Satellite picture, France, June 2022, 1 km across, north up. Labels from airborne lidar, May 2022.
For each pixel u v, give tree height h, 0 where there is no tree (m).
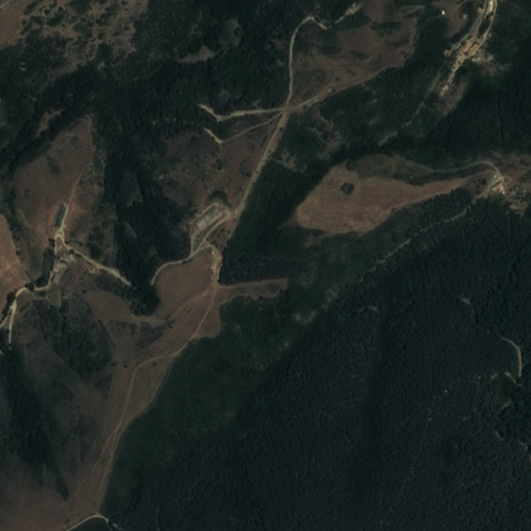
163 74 17
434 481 15
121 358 0
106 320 0
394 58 0
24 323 0
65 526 0
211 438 15
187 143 0
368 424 17
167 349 0
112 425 0
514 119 7
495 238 22
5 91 15
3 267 0
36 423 13
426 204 6
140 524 14
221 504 12
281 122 0
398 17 0
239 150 0
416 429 14
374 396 21
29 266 0
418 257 17
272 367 13
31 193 0
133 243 14
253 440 16
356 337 13
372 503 13
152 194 11
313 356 15
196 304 0
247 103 10
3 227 0
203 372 7
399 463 13
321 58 0
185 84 12
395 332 16
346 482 14
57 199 0
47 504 0
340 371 15
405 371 17
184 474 15
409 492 14
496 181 0
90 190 0
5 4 0
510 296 24
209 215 0
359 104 7
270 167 6
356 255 6
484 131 14
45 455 15
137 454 6
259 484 14
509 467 15
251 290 0
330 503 16
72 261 0
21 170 0
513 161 0
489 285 16
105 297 0
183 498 17
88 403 0
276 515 13
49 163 0
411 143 10
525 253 30
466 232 14
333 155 7
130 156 14
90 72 15
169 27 7
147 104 7
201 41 18
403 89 8
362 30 0
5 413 0
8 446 6
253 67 20
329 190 0
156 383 0
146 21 6
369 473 16
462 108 8
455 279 20
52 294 0
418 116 10
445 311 17
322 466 13
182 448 11
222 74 16
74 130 0
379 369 22
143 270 21
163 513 17
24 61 12
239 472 17
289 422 14
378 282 19
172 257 13
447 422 16
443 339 17
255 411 20
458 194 11
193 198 0
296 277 10
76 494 0
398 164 0
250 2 9
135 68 8
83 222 0
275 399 16
